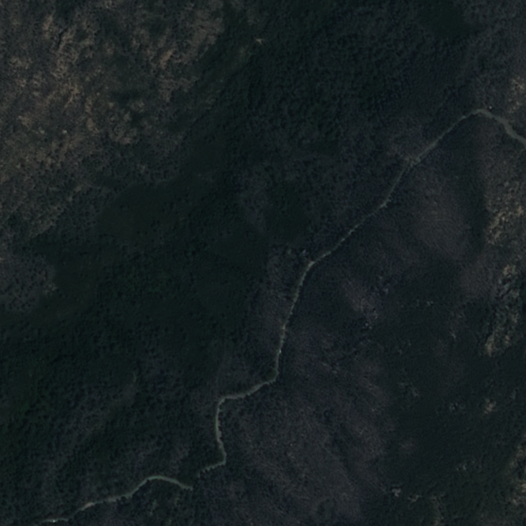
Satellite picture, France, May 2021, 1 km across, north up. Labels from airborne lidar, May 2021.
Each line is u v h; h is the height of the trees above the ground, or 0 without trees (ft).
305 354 48
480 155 61
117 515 56
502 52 69
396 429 36
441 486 54
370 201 62
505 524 53
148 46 41
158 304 22
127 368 30
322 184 71
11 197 50
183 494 69
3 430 56
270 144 67
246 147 25
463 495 71
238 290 22
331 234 47
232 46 28
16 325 30
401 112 78
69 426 26
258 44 43
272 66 101
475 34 26
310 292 43
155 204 25
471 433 54
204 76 29
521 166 52
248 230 26
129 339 45
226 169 31
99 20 51
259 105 28
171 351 24
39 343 71
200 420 64
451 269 51
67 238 87
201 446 58
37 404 35
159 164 62
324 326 45
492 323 56
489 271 67
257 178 71
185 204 23
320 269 48
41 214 30
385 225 65
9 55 40
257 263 20
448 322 55
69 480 68
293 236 23
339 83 71
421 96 74
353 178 45
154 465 40
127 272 22
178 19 39
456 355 59
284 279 45
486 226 42
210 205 73
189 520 54
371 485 56
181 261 25
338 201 48
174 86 48
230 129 54
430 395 61
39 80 45
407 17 80
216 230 24
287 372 45
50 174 41
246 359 31
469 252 63
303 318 59
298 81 73
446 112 61
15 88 55
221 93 17
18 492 39
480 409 47
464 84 24
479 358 44
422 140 64
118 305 23
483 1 90
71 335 27
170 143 44
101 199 41
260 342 55
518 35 96
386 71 77
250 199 20
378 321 39
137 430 37
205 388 55
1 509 47
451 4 42
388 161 66
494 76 74
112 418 24
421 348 44
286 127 77
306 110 59
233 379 21
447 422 36
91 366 22
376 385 40
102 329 20
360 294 60
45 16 49
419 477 55
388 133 70
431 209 51
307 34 50
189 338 23
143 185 26
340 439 45
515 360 54
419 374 52
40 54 53
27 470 50
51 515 49
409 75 71
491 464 64
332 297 48
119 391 42
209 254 53
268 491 43
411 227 56
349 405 44
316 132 30
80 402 66
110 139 60
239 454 51
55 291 18
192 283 22
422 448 55
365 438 35
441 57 64
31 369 23
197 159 20
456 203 56
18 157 0
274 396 49
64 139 41
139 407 75
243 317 19
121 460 70
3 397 54
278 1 32
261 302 49
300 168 70
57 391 51
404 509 45
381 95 41
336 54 88
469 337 59
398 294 57
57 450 51
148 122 20
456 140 53
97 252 18
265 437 42
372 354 41
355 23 85
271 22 63
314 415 49
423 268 54
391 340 47
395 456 50
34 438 44
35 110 48
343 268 65
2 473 60
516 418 53
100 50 47
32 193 56
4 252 63
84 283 24
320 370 51
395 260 66
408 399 36
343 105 64
